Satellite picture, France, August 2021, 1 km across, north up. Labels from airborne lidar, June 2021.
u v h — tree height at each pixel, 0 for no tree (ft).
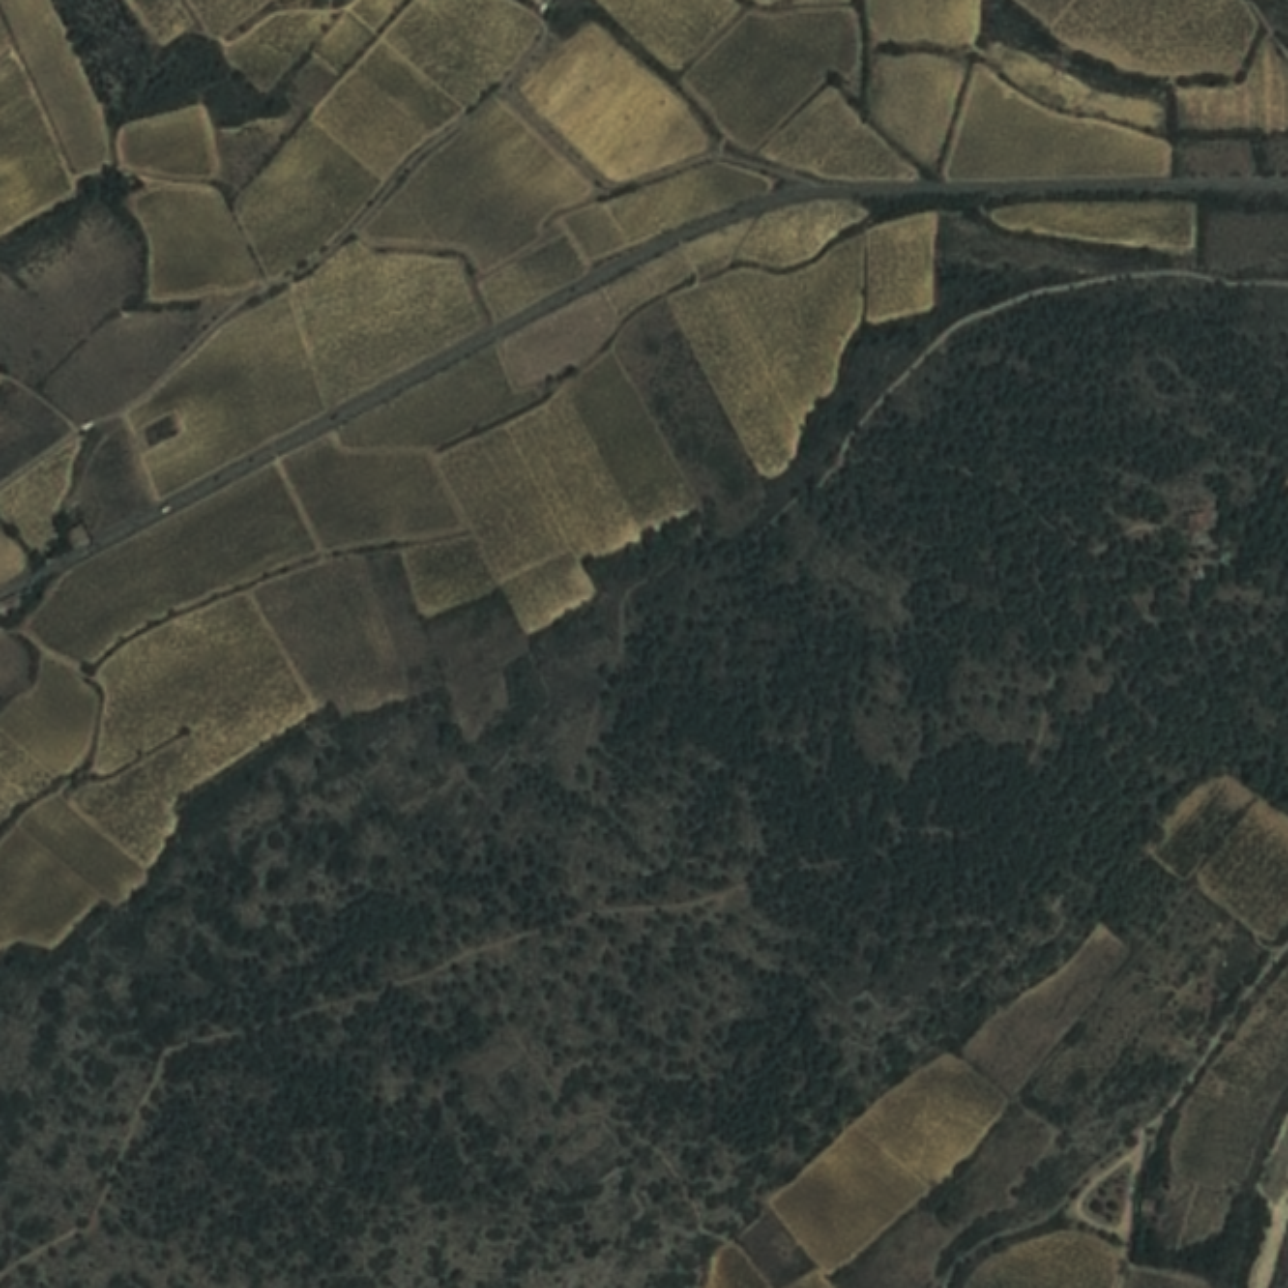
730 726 35
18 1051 0
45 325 0
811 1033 39
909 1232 0
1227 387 23
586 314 0
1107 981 0
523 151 0
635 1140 0
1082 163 0
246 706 0
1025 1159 0
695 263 0
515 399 0
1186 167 0
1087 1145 0
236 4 0
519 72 0
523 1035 0
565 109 0
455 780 0
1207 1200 0
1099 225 0
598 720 0
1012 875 48
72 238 0
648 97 0
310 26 0
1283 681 38
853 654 36
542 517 0
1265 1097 0
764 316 0
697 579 0
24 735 0
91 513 0
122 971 0
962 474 36
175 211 0
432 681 0
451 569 0
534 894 30
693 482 0
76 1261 0
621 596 0
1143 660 37
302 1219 19
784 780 33
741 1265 0
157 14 0
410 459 0
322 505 0
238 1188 22
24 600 29
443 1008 23
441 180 0
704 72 0
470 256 0
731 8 0
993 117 0
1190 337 26
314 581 0
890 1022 0
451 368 0
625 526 0
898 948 31
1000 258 0
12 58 0
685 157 0
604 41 0
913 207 26
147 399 0
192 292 0
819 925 33
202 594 0
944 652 30
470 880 26
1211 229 0
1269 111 0
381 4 0
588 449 0
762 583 34
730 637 30
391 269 0
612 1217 0
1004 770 34
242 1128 37
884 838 33
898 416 30
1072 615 45
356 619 0
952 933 29
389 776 0
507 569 0
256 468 0
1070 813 51
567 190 0
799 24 0
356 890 31
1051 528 31
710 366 0
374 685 0
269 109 27
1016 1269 0
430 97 0
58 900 0
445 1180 21
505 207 0
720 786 30
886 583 0
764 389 0
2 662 0
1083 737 43
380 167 0
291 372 0
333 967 34
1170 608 35
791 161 0
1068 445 27
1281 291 0
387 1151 33
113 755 0
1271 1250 0
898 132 0
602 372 0
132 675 0
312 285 0
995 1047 0
